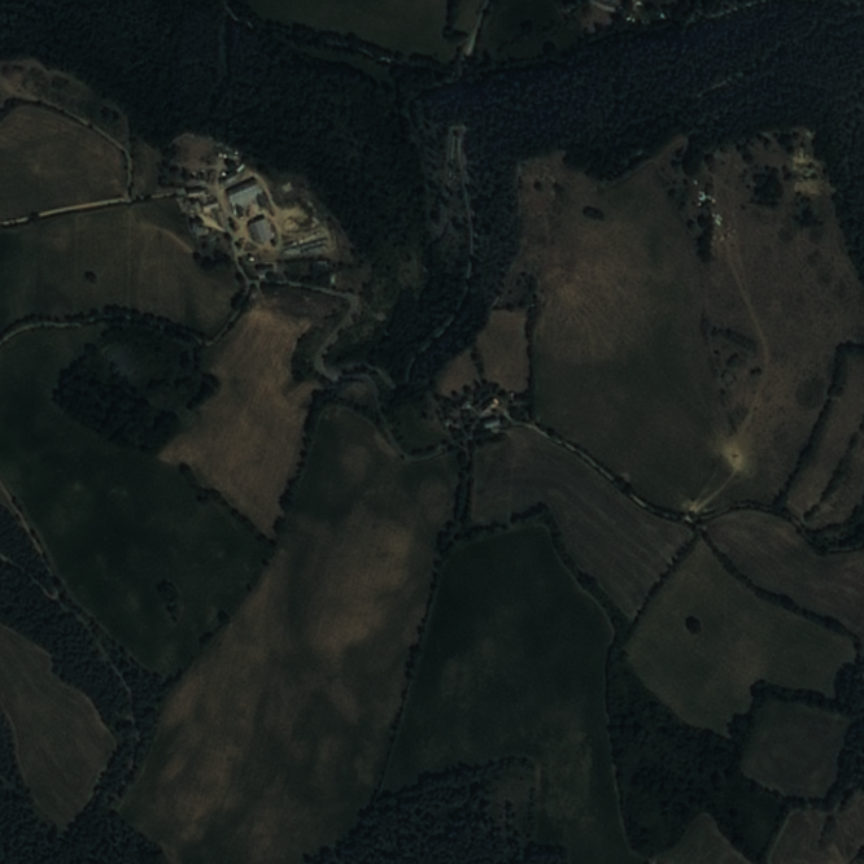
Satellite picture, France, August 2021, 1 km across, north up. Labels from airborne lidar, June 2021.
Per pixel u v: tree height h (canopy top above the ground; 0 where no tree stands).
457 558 0
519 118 12
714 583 0
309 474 0
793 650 0
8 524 12
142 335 6
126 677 11
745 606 0
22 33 15
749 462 0
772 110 14
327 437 0
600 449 0
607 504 0
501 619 0
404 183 10
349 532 0
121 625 0
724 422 0
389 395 10
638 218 0
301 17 0
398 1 0
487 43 0
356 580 0
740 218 0
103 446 0
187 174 9
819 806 9
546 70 13
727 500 0
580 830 0
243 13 17
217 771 0
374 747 0
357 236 10
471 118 14
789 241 0
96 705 11
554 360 0
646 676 0
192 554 0
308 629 0
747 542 0
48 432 0
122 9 9
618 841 0
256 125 18
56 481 0
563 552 9
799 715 0
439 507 0
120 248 0
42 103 7
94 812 11
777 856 0
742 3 9
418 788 8
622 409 0
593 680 0
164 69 11
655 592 7
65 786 0
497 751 0
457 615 0
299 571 0
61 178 0
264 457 0
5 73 0
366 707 0
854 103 8
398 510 0
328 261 6
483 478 0
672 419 0
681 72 9
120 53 13
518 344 0
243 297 9
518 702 0
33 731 0
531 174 0
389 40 0
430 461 0
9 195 0
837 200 10
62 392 13
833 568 0
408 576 0
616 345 0
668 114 6
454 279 7
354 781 0
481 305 7
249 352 0
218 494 9
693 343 0
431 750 0
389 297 5
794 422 0
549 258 0
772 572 0
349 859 12
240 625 0
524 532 0
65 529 0
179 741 0
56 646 12
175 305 0
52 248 0
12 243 0
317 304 0
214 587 0
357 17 0
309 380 0
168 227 0
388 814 14
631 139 14
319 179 13
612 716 11
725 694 0
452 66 7
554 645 0
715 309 0
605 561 0
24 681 0
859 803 0
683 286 0
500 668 0
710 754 13
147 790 0
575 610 0
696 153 14
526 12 0
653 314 0
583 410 0
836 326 0
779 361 0
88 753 0
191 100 14
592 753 0
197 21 12
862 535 12
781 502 12
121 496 0
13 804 15
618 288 0
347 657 0
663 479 0
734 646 0
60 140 0
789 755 0
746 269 0
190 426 0
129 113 9
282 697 0
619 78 12
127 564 0
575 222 0
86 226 0
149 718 13
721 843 0
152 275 0
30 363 0
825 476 0
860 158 12
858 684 17
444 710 0
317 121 14
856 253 11
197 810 0
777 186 8
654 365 0
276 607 0
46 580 14
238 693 0
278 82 10
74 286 0
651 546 0
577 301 0
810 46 10
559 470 0
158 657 0
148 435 15
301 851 0
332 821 0
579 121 8
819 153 9
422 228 6
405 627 0
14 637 0
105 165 0
